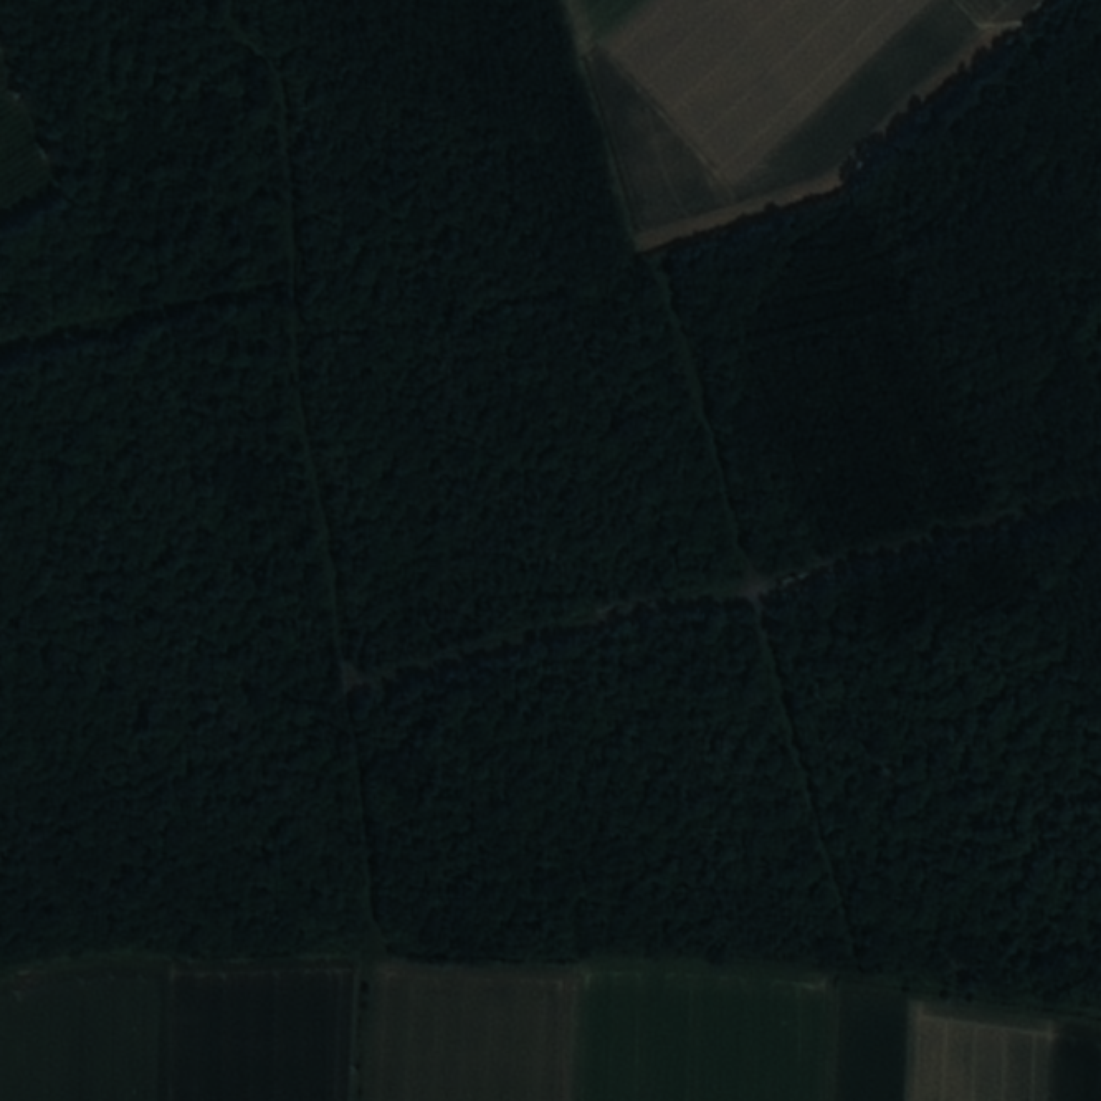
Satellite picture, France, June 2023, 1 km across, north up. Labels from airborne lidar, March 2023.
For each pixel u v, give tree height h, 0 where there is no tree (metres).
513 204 26
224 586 24
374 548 24
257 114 22
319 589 24
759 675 21
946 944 26
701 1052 0
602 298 24
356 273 24
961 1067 0
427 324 21
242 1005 0
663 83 0
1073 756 23
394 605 23
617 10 0
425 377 16
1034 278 35
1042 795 15
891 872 23
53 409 21
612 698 17
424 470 19
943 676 23
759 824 22
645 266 17
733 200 0
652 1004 0
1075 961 19
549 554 17
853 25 0
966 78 8
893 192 20
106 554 26
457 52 24
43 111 23
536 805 22
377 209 22
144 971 0
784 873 23
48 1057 0
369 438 23
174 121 21
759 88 0
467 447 22
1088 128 26
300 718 20
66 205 21
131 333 23
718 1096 0
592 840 22
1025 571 17
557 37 35
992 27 0
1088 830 22
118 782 21
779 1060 0
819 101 0
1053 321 24
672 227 0
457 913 24
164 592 23
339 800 25
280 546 22
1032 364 26
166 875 26
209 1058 0
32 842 24
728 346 24
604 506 17
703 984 0
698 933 15
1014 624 23
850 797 21
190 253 23
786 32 0
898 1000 0
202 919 21
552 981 0
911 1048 0
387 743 18
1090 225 33
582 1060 0
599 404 19
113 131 22
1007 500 20
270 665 21
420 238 19
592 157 38
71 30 23
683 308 21
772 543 22
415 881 16
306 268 12
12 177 0
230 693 24
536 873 21
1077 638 32
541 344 22
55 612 25
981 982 13
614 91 0
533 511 22
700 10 0
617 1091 0
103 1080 0
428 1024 0
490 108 32
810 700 23
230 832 23
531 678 19
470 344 18
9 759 25
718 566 21
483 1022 0
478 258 19
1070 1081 0
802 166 0
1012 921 24
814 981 0
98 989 0
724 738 22
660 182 0
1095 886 22
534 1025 0
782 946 17
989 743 23
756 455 22
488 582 22
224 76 24
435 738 23
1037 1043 0
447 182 26
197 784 24
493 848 22
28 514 24
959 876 25
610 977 0
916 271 24
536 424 16
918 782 25
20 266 23
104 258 22
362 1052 0
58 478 29
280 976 0
